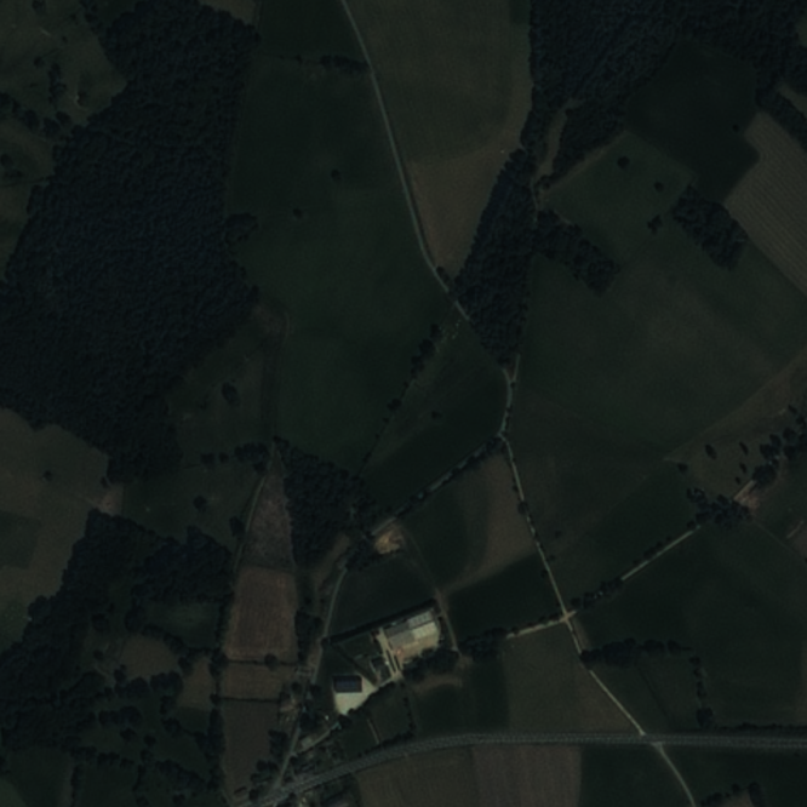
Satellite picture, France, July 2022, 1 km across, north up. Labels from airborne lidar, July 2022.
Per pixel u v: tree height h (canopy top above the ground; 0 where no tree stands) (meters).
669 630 0
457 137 0
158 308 19
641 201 0
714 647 0
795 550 0
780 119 20
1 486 0
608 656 20
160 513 0
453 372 0
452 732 0
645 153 0
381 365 0
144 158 11
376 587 0
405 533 0
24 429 0
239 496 0
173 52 21
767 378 0
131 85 15
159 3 26
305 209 0
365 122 0
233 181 0
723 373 0
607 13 24
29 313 21
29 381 19
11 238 0
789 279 0
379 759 0
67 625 16
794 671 0
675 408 0
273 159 0
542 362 0
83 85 0
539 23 18
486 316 19
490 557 0
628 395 0
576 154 7
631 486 0
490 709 0
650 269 0
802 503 0
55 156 8
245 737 0
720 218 22
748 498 0
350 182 0
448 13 0
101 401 22
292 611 0
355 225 0
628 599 0
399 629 0
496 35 0
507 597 0
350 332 0
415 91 0
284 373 0
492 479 0
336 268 0
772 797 0
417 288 0
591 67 29
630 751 0
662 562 0
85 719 18
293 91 0
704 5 10
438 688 0
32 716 31
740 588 0
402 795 0
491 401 0
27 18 0
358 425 0
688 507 0
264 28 0
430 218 0
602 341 0
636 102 0
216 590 19
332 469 12
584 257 21
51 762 0
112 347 20
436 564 0
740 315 0
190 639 0
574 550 0
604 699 0
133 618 17
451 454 0
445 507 0
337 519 10
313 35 0
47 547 0
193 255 26
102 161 21
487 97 0
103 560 21
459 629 0
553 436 0
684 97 0
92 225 24
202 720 0
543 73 19
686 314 0
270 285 0
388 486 0
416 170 0
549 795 0
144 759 16
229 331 18
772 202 0
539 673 0
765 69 10
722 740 0
